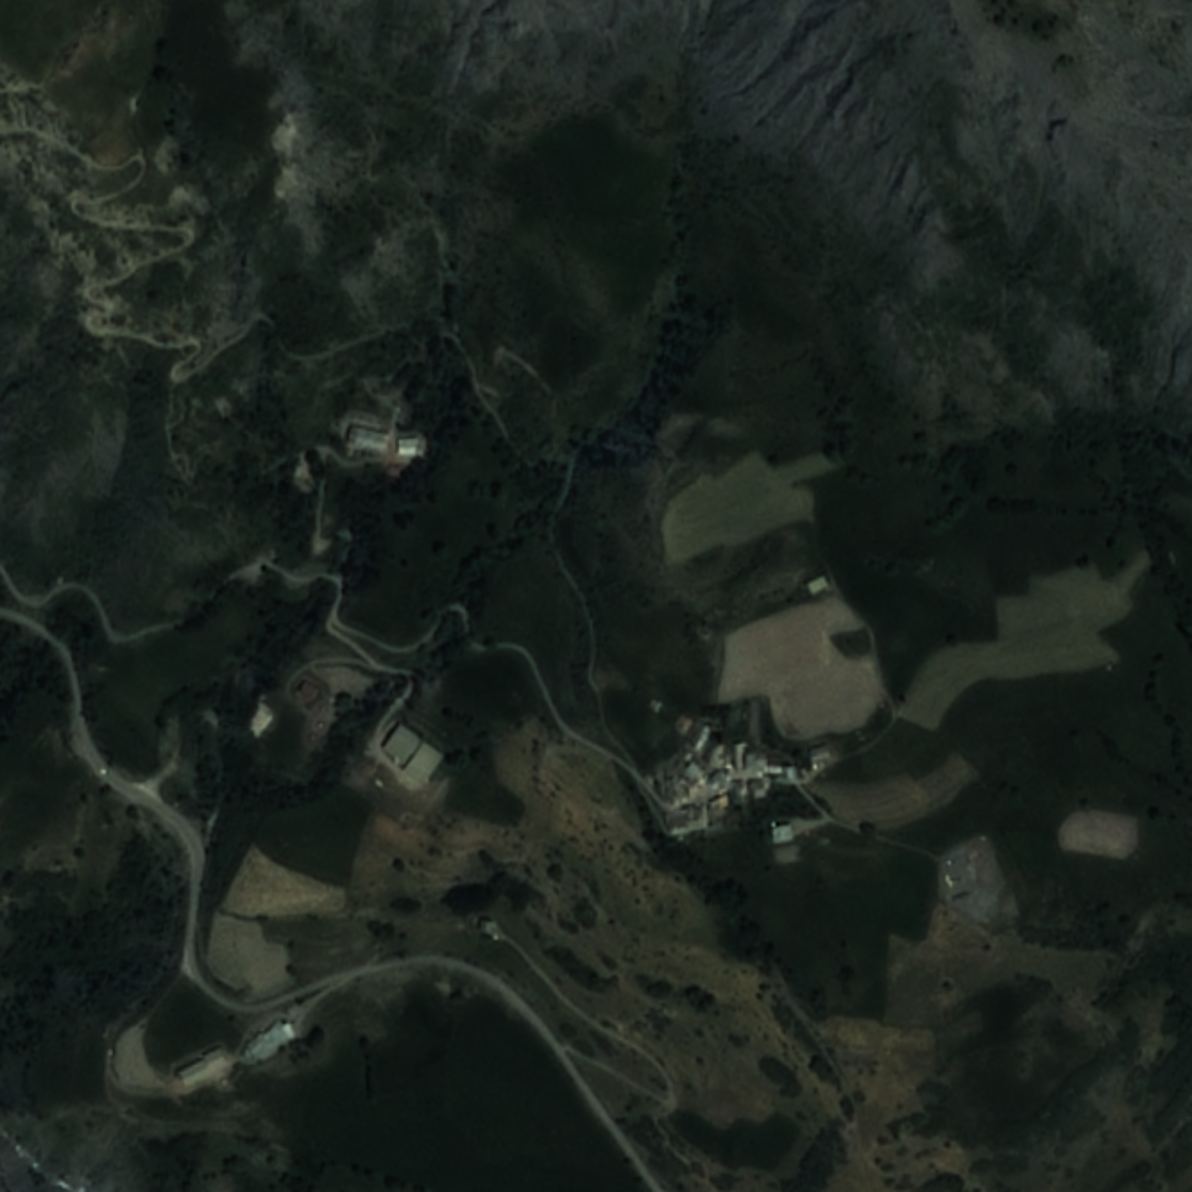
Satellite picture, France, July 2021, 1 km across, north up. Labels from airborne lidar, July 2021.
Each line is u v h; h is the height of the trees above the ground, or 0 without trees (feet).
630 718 0
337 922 0
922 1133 0
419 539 0
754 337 0
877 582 0
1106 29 0
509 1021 0
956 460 41
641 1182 26
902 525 0
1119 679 0
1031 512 30
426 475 44
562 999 0
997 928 0
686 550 0
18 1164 0
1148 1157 0
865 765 0
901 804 0
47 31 0
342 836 0
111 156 0
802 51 0
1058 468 0
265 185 0
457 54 0
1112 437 26
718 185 25
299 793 47
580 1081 0
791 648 0
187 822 0
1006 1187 0
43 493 0
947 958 0
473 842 0
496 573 29
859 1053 0
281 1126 0
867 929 0
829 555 0
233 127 0
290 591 0
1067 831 0
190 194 0
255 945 0
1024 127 0
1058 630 0
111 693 0
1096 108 0
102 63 0
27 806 0
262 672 24
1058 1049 0
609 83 0
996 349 0
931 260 0
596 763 0
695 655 0
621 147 0
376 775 0
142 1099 0
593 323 0
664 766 0
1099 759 0
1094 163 0
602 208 0
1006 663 0
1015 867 0
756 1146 0
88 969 41
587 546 0
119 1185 0
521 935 0
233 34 0
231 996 0
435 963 0
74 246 0
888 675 0
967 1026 0
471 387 53
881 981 0
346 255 0
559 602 0
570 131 0
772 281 0
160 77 51
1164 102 0
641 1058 0
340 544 29
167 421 0
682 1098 0
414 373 34
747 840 0
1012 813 0
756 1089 0
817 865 0
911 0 0
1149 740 0
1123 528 26
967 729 0
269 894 0
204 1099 0
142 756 0
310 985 0
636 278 0
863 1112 0
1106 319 33
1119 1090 0
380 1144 0
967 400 0
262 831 0
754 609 0
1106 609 0
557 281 0
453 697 0
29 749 0
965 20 0
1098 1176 0
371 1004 0
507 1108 0
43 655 44
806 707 0
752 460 0
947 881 0
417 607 0
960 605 0
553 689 0
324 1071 0
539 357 0
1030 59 0
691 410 0
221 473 30
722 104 0
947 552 0
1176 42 0
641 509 0
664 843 45
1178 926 0
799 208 0
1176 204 0
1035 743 0
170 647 0
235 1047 0
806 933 0
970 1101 0
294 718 0
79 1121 0
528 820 0
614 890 0
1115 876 0
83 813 0
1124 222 0
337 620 0
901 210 0
